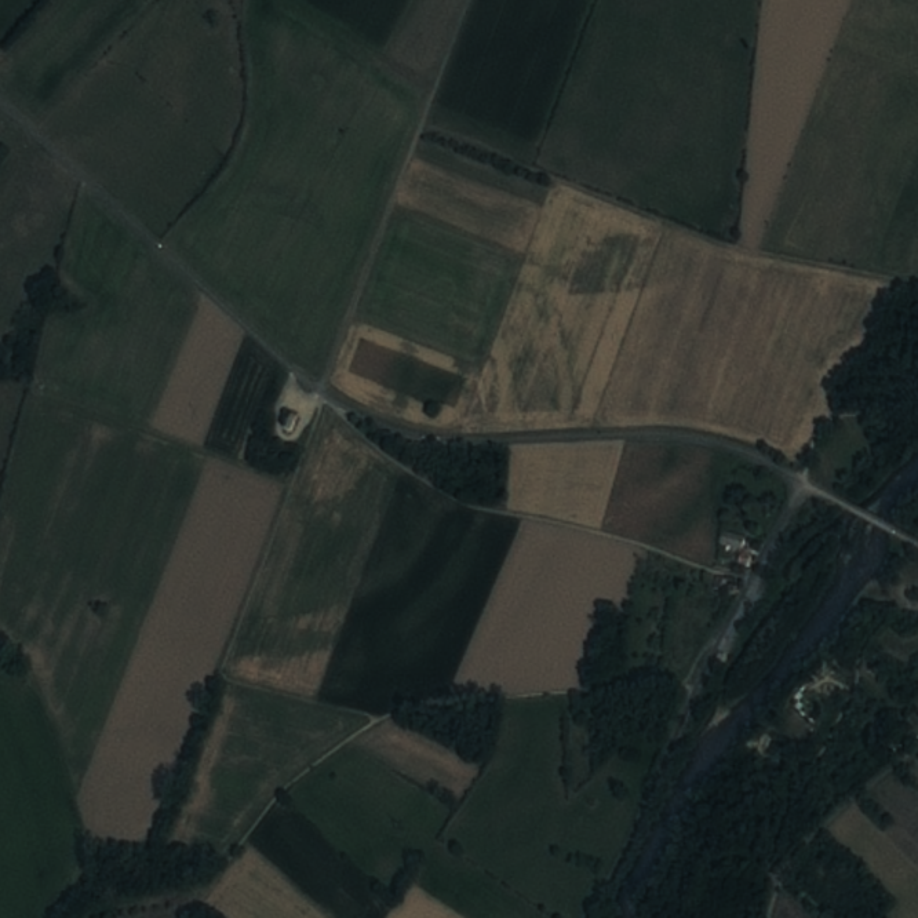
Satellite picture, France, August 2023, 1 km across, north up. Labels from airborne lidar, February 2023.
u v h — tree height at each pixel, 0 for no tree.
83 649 0
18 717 0
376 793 0
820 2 0
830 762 7
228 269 0
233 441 0
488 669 0
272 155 0
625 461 0
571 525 0
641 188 0
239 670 0
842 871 15
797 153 0
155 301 0
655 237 0
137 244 0
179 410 0
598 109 0
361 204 0
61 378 0
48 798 0
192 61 0
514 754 0
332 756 0
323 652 0
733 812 18
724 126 0
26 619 0
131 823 0
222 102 0
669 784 13
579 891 0
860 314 0
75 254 0
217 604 0
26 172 0
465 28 0
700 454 0
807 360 0
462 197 0
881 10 0
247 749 0
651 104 0
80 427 0
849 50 0
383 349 0
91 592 0
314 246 0
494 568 0
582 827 0
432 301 0
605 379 0
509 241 0
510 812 0
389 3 0
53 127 0
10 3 0
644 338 0
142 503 0
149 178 0
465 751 26
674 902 26
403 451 11
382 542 0
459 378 0
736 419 0
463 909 0
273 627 0
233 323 0
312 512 0
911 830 0
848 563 0
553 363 0
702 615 0
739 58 0
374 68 0
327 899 0
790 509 0
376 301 0
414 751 0
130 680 0
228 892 0
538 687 0
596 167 0
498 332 0
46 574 0
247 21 0
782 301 0
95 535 0
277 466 7
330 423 0
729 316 0
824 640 10
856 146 0
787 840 13
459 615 0
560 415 0
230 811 0
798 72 0
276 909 0
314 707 0
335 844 0
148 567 0
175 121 0
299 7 0
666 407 0
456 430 0
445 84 0
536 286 0
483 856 0
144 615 0
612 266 0
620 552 0
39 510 0
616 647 21
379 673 0
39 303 22
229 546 0
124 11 0
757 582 0
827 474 0
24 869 0
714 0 0
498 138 0
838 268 0
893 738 23
